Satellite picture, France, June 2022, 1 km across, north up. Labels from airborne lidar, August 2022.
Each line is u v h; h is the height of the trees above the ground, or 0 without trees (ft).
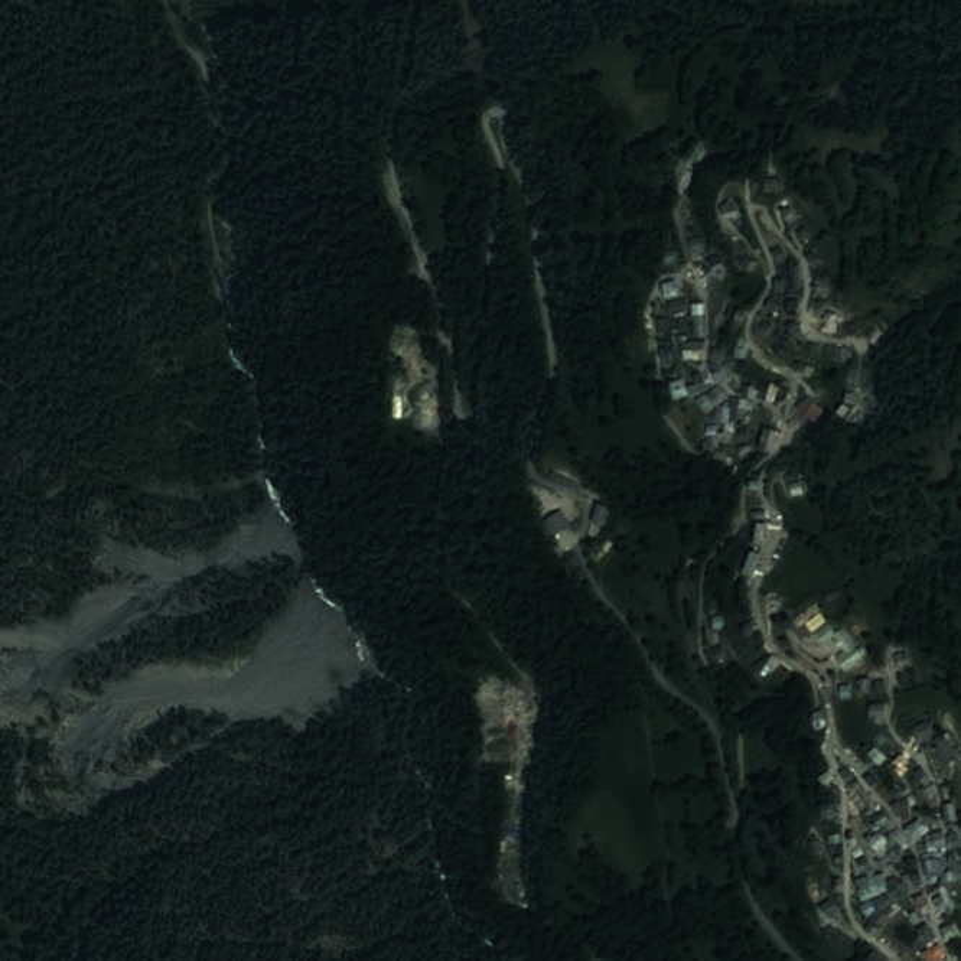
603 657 97
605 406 37
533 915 61
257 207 104
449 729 84
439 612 48
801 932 34
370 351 56
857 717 0
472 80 61
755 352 0
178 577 0
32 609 85
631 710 60
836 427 51
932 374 62
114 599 0
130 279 75
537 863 59
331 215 93
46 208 94
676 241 30
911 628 43
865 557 31
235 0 19
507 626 31
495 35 52
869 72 87
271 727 54
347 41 96
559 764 49
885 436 68
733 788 31
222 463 77
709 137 70
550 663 105
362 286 99
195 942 52
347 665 0
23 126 64
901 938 19
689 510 83
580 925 77
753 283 0
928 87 60
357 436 50
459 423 76
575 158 52
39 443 66
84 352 74
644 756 0
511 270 95
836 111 34
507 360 97
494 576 57
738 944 86
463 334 65
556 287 77
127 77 62
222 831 70
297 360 86
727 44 27
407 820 92
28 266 83
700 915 75
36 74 87
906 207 61
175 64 62
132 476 35
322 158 68
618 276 86
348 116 106
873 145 0
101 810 18
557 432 44
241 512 83
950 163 67
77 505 47
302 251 88
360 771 30
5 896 49
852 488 35
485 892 32
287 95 82
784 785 29
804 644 0
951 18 109
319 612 0
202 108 100
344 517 88
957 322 87
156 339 73
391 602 102
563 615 93
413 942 106
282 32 80
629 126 0
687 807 29
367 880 66
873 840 0
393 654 109
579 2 85
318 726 78
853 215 41
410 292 85
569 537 0
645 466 73
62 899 34
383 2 24
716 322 0
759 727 73
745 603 37
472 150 76
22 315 34
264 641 0
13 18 24
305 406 93
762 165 50
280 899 67
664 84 0
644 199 91
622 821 0
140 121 19
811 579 0
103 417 59
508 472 76
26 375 87
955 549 68
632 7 99
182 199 53
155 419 56
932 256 41
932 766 26
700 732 68
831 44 70
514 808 0
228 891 100
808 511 0
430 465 23
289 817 40
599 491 30
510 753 0
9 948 52
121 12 96
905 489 31
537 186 103
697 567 35
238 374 55
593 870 66
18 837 81
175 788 61
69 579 30
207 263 23
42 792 49
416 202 27
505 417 93
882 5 45
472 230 68
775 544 0
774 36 92
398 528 75
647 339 0
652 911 71
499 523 42
